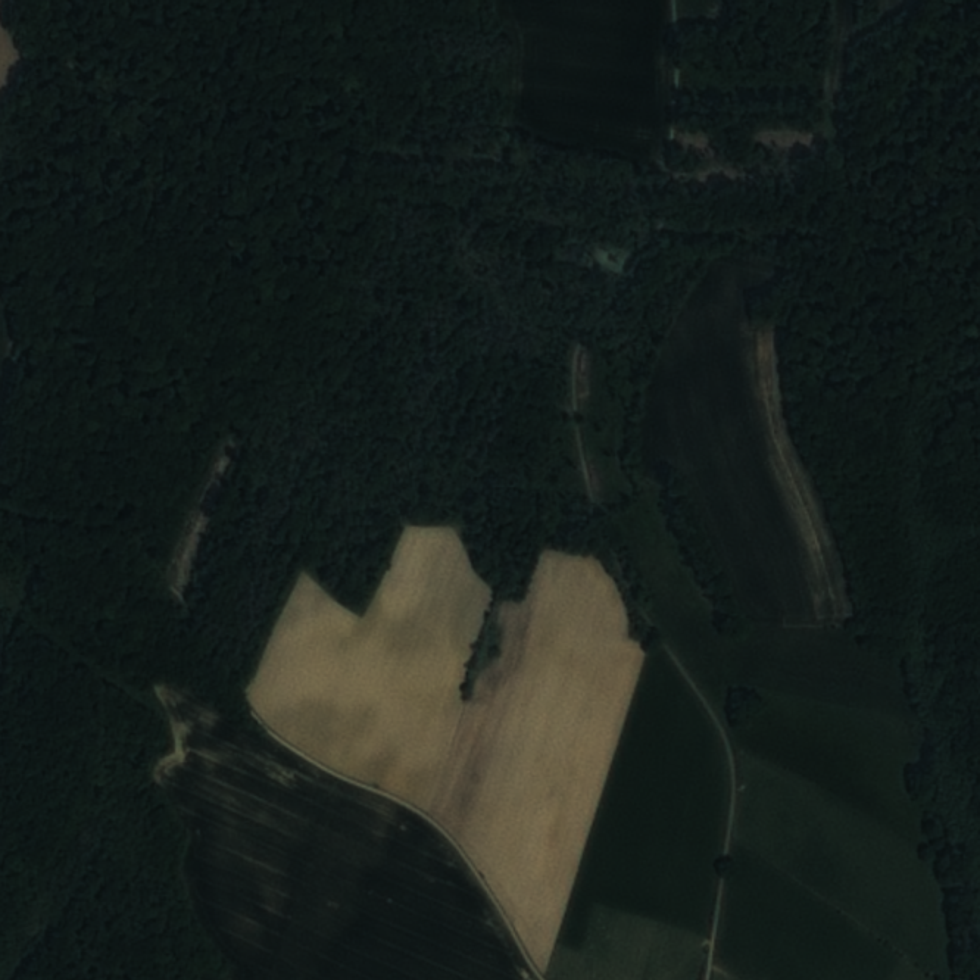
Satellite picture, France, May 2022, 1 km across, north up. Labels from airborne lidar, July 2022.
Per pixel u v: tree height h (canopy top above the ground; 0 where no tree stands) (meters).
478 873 0
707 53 29
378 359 23
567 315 21
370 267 21
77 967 21
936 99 12
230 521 7
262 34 26
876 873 0
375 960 0
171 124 29
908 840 0
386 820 0
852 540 18
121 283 31
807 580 0
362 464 25
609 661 0
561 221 12
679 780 0
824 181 30
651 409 0
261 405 26
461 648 0
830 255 28
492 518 27
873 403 28
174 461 26
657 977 0
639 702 0
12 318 20
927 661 16
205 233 31
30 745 25
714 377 0
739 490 0
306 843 0
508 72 0
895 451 23
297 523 26
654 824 0
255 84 28
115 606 29
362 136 34
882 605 18
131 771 23
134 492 29
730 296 0
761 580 0
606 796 0
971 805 29
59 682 26
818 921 0
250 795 0
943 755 26
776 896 0
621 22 0
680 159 22
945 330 25
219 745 0
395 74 32
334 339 24
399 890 0
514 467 29
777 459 0
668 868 0
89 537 27
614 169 30
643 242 22
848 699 0
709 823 0
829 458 26
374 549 24
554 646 0
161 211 31
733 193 30
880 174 27
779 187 27
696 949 0
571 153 25
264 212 30
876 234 26
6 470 25
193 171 29
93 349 29
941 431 30
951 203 29
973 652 24
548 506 17
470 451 25
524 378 27
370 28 36
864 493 15
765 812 0
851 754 0
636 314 21
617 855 0
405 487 18
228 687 27
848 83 16
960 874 24
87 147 31
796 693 0
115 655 21
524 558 21
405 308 28
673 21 0
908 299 30
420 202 16
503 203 8
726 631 25
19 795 18
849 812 0
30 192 10
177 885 17
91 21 31
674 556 0
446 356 20
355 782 0
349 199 31
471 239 14
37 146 17
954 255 33
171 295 25
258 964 0
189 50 27
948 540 21
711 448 0
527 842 0
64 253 31
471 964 0
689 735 0
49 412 29
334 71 30
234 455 7
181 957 23
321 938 0
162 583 27
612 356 18
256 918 0
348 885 0
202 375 29
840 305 27
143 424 29
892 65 25
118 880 18
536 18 0
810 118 31
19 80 21
